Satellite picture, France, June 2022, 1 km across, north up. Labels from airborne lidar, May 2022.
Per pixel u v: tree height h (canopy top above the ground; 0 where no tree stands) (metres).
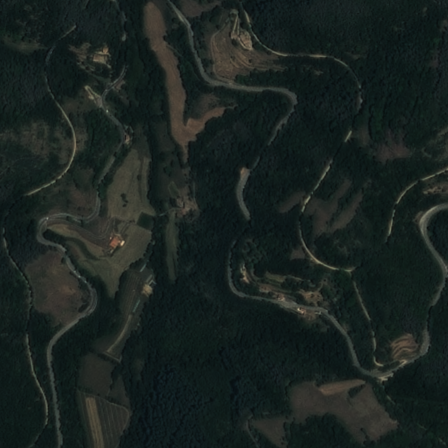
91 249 0
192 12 0
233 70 0
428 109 9
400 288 17
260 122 10
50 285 0
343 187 0
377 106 19
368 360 7
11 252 17
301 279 14
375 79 16
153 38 0
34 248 12
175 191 0
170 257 0
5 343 17
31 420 18
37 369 16
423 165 8
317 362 14
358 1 12
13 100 12
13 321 10
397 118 13
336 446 10
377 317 8
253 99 14
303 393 0
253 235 14
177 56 7
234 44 7
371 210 13
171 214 0
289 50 13
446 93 15
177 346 11
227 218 22
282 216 14
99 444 0
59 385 17
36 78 21
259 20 17
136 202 0
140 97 15
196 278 16
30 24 17
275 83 10
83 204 0
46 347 18
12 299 13
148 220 0
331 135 22
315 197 6
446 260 14
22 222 16
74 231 0
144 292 0
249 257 16
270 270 16
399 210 17
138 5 20
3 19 16
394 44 21
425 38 15
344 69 18
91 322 11
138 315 0
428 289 13
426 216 0
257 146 15
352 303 13
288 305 0
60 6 19
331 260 14
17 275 14
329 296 9
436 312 20
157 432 24
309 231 10
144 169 0
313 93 25
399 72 18
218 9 17
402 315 13
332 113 6
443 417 20
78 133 0
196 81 7
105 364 0
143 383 16
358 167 8
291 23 18
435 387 19
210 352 17
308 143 15
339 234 11
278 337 25
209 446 30
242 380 29
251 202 12
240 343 22
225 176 10
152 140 22
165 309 10
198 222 7
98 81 8
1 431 19
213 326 14
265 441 11
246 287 14
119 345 0
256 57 0
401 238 12
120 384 0
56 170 7
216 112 0
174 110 0
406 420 12
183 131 0
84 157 7
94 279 15
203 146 7
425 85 11
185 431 29
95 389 0
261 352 13
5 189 13
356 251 8
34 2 13
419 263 16
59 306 0
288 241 17
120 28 14
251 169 18
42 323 16
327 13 11
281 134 10
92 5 16
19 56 23
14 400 15
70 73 7
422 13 12
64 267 0
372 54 13
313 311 0
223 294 9
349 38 18
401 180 12
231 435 9
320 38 19
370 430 0
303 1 15
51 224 0
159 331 10
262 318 14
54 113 13
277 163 16
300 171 15
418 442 8
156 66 9
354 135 0
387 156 0
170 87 0
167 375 9
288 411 9
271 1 17
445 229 21
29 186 6
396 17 18
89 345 16
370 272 8
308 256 9
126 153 14
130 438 17
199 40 10
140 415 16
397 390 17
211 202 8
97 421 0
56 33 17
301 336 26
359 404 0
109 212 0
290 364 17
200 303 13
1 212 19
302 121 14
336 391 0
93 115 14
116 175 0
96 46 11
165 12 0
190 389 34
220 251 13
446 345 21
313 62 13
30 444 14
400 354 0
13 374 14
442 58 16
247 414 28
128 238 0
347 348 15
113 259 0
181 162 10
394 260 15
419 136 13
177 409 33
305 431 8
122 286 9
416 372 19
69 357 16
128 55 26
